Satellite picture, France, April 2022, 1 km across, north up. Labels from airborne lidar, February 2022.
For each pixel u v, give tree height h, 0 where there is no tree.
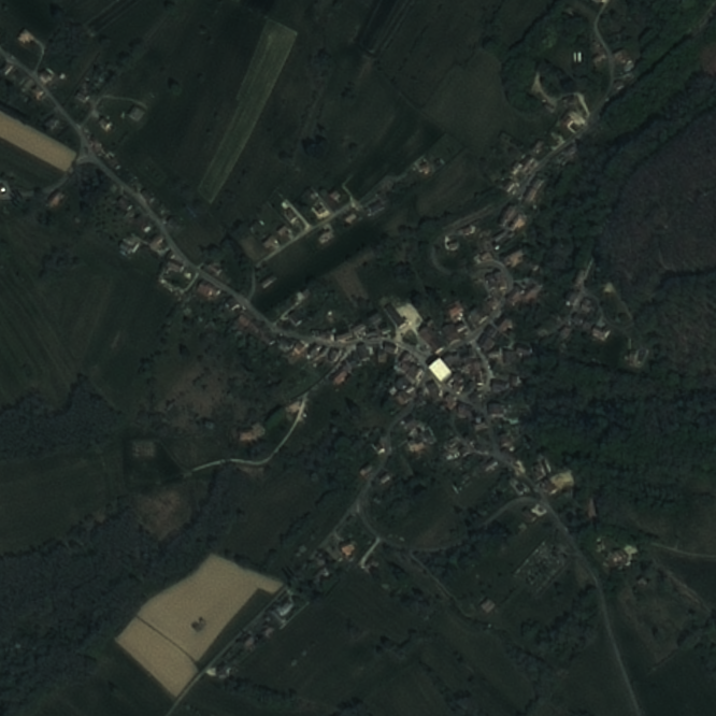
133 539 26
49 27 0
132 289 0
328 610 0
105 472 0
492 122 0
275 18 0
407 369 0
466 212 0
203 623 6
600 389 18
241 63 0
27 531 0
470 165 0
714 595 0
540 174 5
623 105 20
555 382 22
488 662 0
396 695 0
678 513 14
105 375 0
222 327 7
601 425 27
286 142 0
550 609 0
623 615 0
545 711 0
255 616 0
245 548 0
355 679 0
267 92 0
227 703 0
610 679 0
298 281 0
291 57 0
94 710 0
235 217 0
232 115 0
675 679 0
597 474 25
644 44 12
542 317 12
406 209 0
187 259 0
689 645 18
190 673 0
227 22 0
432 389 0
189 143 0
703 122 21
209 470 0
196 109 0
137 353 0
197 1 0
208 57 0
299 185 0
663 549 0
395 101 0
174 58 0
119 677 0
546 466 0
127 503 8
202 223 0
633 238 22
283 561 0
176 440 0
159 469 0
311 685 0
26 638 12
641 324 24
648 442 25
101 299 0
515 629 0
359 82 0
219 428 17
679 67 23
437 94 0
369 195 0
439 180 0
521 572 0
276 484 0
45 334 0
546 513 0
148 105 0
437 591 0
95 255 0
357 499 0
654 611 0
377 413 0
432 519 0
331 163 0
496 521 0
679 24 22
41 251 0
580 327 6
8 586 23
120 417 8
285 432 10
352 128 0
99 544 22
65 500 0
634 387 29
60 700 0
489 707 0
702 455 22
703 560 0
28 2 0
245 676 0
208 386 0
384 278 0
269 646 0
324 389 0
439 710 0
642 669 0
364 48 0
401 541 0
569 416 28
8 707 19
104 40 14
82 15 0
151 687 0
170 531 0
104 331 0
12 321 0
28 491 0
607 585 7
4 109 21
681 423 25
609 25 0
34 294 0
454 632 0
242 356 13
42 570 24
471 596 8
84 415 24
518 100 26
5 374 0
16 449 21
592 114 0
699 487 0
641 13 18
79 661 24
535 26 12
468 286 0
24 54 0
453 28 0
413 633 12
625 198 21
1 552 0
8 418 19
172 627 0
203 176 0
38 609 25
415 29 0
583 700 0
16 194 0
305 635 0
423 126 0
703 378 27
